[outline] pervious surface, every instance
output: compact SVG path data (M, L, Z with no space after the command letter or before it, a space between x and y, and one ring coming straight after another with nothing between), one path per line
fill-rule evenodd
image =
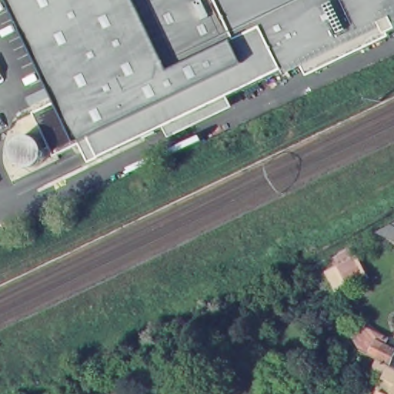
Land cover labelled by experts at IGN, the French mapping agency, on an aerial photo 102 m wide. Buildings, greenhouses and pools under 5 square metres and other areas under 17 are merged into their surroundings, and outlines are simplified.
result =
M108 237L95 235L94 239L77 246L74 254L63 252L55 255L45 262L38 263L34 268L26 269L0 283L0 329L28 319L42 309L62 305L75 295L114 279L119 272L148 265L160 255L186 245L212 229L240 219L248 212L282 199L323 175L339 171L343 166L351 165L363 159L365 155L394 143L394 94L365 111L357 112L348 119L340 120L316 134L308 135L299 143L289 146L288 151L279 149L272 154L271 159L255 160L214 182L180 195L148 214L140 215L140 222L135 225L114 232Z

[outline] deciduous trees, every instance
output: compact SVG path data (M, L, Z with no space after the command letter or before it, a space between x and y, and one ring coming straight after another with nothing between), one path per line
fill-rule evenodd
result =
M26 217L15 220L11 229L0 234L0 245L8 249L25 248L35 239L35 235L25 226Z
M214 143L215 148L226 148L229 154L242 152L245 149L242 146L243 137L252 134L248 123L228 128L220 134L212 132L209 140Z
M69 231L74 222L82 222L71 209L78 200L78 195L72 194L62 200L49 197L43 205L42 215L43 225L48 226L55 235L60 234L60 231Z
M294 285L288 285L282 274L272 268L268 274L263 275L263 280L245 289L245 299L240 302L237 292L225 292L220 297L209 295L205 302L197 300L200 309L194 309L191 314L199 319L192 326L183 319L179 322L174 320L166 323L165 326L160 319L148 320L145 331L140 334L139 349L125 346L122 342L108 348L100 346L94 356L83 365L78 365L77 352L74 357L68 357L68 365L75 366L75 374L63 377L62 382L52 380L43 394L237 394L232 382L234 374L231 368L240 360L243 360L246 369L254 376L249 389L252 394L372 394L377 383L382 380L380 372L372 369L371 357L362 354L352 342L357 334L366 328L363 317L356 316L349 306L352 299L359 299L362 289L365 288L362 274L346 277L337 289L331 289L326 279L320 286L312 283L314 277L309 268L316 262L306 259L303 249L299 249L297 259L291 262L294 268Z
M377 231L372 234L363 232L365 248L352 248L349 251L349 254L357 257L362 263L368 260L374 265L379 257L382 257L388 242L385 237L377 234Z
M165 140L155 143L152 148L145 149L140 154L143 163L148 159L152 160L152 169L160 174L166 168L175 171L180 165L169 155L171 152L168 151Z

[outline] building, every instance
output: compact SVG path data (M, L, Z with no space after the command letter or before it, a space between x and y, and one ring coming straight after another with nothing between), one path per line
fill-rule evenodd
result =
M9 146L20 165L32 166L37 159L38 146L32 137L29 137L28 132L20 135L17 140L12 140Z
M394 222L377 231L377 234L385 237L388 242L394 245Z
M52 149L68 145L69 149L82 155L83 162L91 166L105 162L132 146L140 145L148 135L154 134L155 129L162 129L165 137L171 137L177 132L211 119L229 108L228 95L252 83L260 82L268 75L279 71L279 66L289 65L291 68L299 69L302 75L309 75L331 63L339 62L354 52L363 52L368 46L377 45L386 37L389 29L394 28L394 0L9 0L18 23L31 43L38 65L42 68L60 105L58 109L48 106L37 112L34 117L37 128L45 134Z
M42 89L28 95L28 106L48 97L45 89Z
M372 394L394 394L394 332L391 336L383 337L379 332L366 328L357 334L352 342L362 354L371 357L372 369L380 372L382 380L377 383Z
M357 257L349 254L349 251L340 249L332 257L332 265L325 269L326 279L331 289L337 289L346 277L362 274L365 269L362 263Z

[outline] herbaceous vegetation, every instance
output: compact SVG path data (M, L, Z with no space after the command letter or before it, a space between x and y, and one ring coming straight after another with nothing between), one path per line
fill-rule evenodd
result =
M349 306L356 316L363 317L366 328L379 332L383 337L391 336L394 332L394 245L388 242L382 257L379 257L374 265L368 260L362 263L365 269L362 274L365 288L362 289L359 299L352 299Z
M0 394L43 394L52 380L62 382L63 377L75 374L75 366L68 365L68 357L74 357L77 352L78 365L83 365L94 356L100 346L108 348L122 342L125 346L139 349L140 334L145 331L148 320L160 319L165 326L166 323L174 320L179 322L183 319L192 326L199 319L191 314L194 309L200 309L197 300L205 302L209 295L220 297L225 292L237 292L240 302L245 299L245 289L263 280L263 275L268 274L272 268L282 274L288 285L294 285L294 268L291 262L297 259L299 249L303 249L306 259L316 262L309 268L314 277L312 283L320 286L326 279L325 269L332 265L332 257L340 249L349 251L352 248L365 248L363 232L372 234L377 231L394 222L394 143L365 155L363 159L351 165L343 166L339 171L323 175L282 199L248 212L240 219L212 229L186 245L160 255L148 265L119 272L114 279L75 295L62 305L42 309L28 319L0 329Z
M152 169L152 160L148 159L143 163L139 168L128 172L119 182L109 185L100 195L98 202L95 202L91 195L80 194L77 189L74 189L72 194L78 195L78 200L71 209L82 222L74 222L69 231L60 231L60 234L55 235L48 226L43 225L42 215L32 219L29 219L28 215L26 217L25 226L35 235L35 239L25 248L8 249L0 245L0 283L26 269L34 268L38 263L45 262L55 255L63 252L74 254L77 246L94 239L95 235L108 237L114 232L135 225L140 222L140 215L148 214L180 195L214 182L255 160L271 159L272 154L279 149L288 151L289 146L299 143L308 135L316 134L340 120L348 119L357 112L365 111L394 94L394 58L342 78L339 82L332 82L319 91L308 92L305 97L286 103L274 112L266 112L260 115L259 119L248 123L252 134L243 137L242 146L245 149L242 152L229 154L226 148L215 148L214 143L209 140L197 140L186 148L171 152L169 155L180 165L175 171L166 168L160 174Z
M254 376L246 369L243 360L240 360L231 368L234 374L232 382L237 394L252 394L249 389Z

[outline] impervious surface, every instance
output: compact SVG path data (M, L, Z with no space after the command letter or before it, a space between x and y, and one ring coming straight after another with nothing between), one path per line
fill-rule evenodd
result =
M74 189L77 189L80 194L91 195L95 202L98 202L100 195L109 185L119 182L128 172L139 168L143 163L140 154L145 149L152 148L155 143L165 140L168 151L171 152L186 148L197 140L209 140L212 132L220 134L228 128L248 123L259 119L260 115L266 112L274 112L286 103L305 97L308 92L319 91L332 82L339 82L342 78L394 58L394 28L389 29L386 37L377 45L368 46L363 52L354 52L339 62L331 63L309 75L302 75L299 69L291 68L289 65L279 66L279 71L268 75L260 82L252 83L228 95L229 108L211 119L177 132L171 137L165 137L162 129L155 129L154 134L148 135L140 145L132 146L105 162L91 166L83 162L82 155L69 149L68 145L52 149L45 134L37 128L34 117L37 112L48 106L58 109L60 105L42 68L38 65L31 43L18 23L9 0L0 0L0 234L11 229L15 220L26 217L28 215L29 219L32 219L42 215L43 205L49 197L62 200L72 194ZM28 95L42 89L45 89L48 97L28 106ZM20 135L28 132L29 137L32 137L38 146L37 159L32 166L20 165L9 146L12 140L17 140Z

